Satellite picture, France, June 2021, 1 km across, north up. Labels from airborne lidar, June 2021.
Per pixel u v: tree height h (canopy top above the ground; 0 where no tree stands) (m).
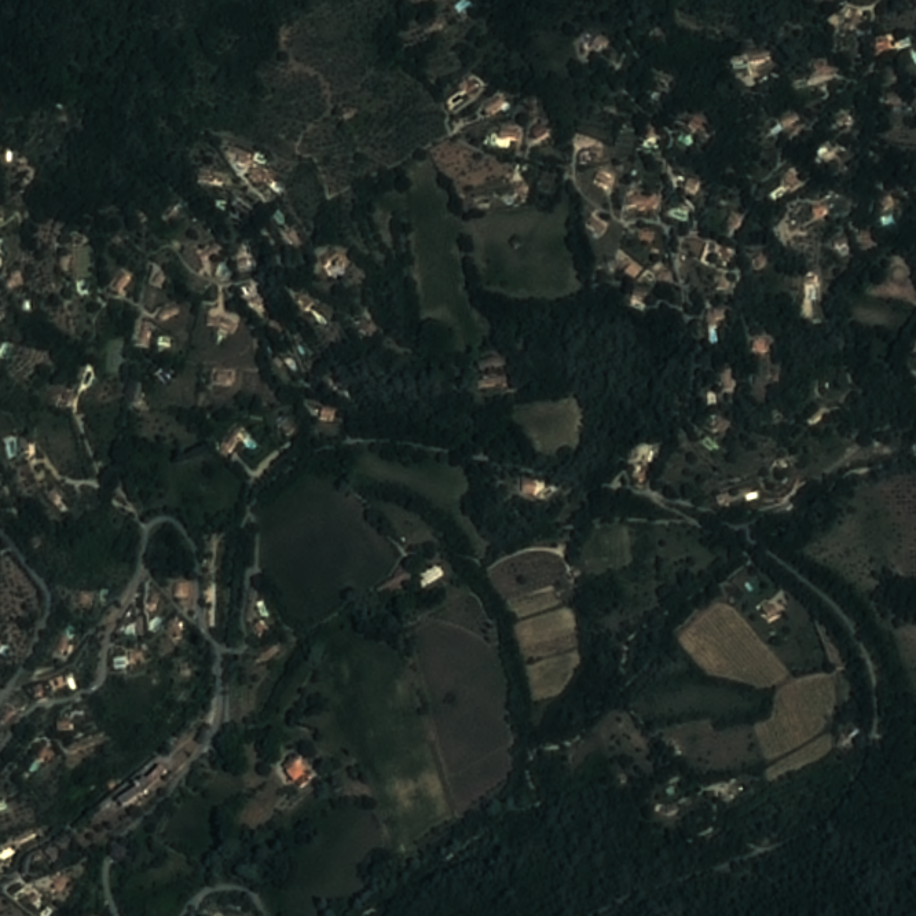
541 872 11
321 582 0
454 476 0
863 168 11
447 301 0
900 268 0
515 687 14
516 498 12
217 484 0
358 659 0
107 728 5
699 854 18
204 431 14
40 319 14
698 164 13
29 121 9
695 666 6
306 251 18
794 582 13
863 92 11
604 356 13
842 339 19
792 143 13
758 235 14
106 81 7
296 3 10
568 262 0
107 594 6
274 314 17
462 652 0
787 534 18
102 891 6
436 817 0
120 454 18
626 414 12
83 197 14
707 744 0
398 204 0
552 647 0
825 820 15
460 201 17
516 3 16
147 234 6
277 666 11
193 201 14
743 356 17
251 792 6
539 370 17
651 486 8
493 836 15
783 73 21
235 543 8
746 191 13
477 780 0
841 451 0
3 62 14
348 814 0
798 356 21
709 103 11
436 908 13
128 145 22
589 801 11
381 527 13
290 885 12
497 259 0
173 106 9
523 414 0
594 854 17
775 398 14
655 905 20
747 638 0
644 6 15
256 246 10
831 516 15
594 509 16
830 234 9
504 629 10
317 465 10
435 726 0
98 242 15
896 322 0
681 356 17
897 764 10
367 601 30
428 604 6
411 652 7
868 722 8
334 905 18
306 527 0
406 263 11
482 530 18
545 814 16
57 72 10
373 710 0
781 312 13
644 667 11
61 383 12
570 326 20
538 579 0
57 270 10
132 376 16
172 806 11
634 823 13
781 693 0
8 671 8
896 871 16
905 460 5
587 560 0
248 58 7
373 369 25
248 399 10
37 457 6
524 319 13
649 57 14
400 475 0
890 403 14
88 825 7
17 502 7
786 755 0
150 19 7
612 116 6
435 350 19
